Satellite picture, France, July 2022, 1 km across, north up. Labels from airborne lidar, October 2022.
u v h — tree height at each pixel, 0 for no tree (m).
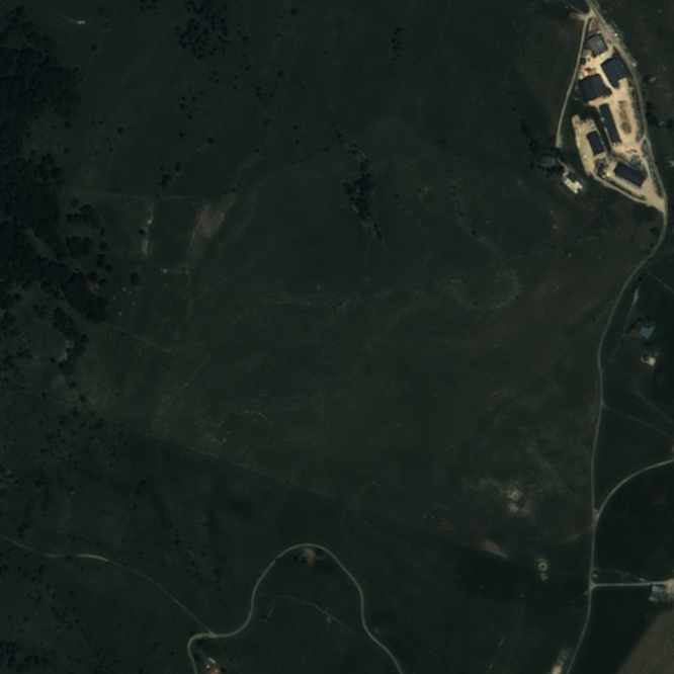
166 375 0
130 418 0
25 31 12
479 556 0
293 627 0
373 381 0
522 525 0
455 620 0
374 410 0
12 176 19
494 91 0
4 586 0
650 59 0
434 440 0
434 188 0
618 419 0
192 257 0
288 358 0
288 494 0
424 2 0
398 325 0
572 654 0
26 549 0
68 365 14
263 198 0
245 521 0
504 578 0
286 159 0
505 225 0
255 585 0
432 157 0
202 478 0
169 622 0
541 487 0
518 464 0
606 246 0
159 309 0
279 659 0
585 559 0
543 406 0
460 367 0
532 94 0
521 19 0
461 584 0
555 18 0
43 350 0
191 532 0
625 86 0
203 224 0
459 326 0
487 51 0
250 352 0
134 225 0
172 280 0
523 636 0
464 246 0
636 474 0
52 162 17
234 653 0
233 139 0
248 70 7
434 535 0
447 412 0
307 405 0
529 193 0
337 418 0
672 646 0
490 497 0
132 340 0
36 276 16
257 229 0
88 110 0
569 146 0
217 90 0
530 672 0
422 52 0
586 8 0
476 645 0
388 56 0
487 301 0
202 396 0
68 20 0
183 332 0
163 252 0
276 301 0
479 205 0
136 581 0
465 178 0
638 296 0
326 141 0
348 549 0
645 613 0
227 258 0
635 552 0
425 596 0
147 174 0
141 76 0
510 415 0
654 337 0
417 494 0
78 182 0
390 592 0
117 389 0
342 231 0
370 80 0
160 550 0
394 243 0
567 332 0
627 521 0
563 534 0
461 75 0
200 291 0
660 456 0
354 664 0
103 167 0
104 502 0
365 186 10
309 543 0
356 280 0
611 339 0
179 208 0
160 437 0
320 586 0
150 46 0
